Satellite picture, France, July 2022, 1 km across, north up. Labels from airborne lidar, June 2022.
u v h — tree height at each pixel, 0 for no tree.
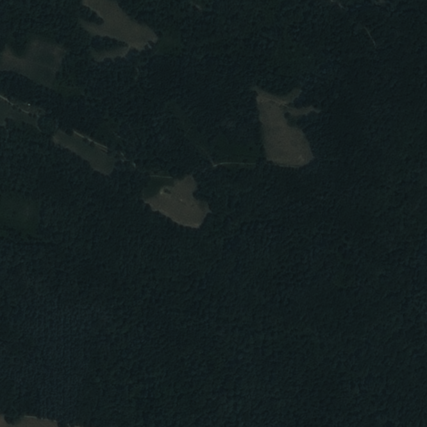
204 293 28
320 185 12
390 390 25
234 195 25
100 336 19
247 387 12
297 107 14
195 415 13
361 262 21
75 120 21
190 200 0
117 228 22
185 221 0
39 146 23
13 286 19
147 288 15
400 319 28
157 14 17
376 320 23
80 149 0
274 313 29
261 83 13
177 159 16
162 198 0
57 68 0
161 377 22
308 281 18
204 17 18
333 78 14
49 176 17
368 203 20
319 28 22
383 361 21
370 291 21
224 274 24
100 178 19
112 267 27
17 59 0
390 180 18
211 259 32
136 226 19
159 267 26
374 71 16
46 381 22
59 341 17
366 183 14
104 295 15
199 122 18
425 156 16
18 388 23
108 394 20
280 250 21
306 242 13
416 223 20
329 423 23
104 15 0
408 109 25
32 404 14
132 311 21
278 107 0
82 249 22
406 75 27
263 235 24
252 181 13
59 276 21
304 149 0
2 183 22
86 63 20
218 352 22
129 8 26
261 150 10
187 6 30
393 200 22
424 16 21
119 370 29
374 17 19
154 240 17
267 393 16
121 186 25
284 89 15
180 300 11
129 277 25
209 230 15
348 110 15
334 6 20
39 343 25
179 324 13
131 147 20
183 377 17
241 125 16
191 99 17
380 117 16
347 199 11
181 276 23
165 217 11
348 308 21
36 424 0
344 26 18
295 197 7
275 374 24
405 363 25
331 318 18
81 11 16
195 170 13
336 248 17
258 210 22
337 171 17
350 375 8
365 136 11
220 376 15
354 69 17
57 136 0
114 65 26
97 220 21
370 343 25
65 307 19
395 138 24
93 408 25
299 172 12
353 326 28
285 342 13
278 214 26
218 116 15
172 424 29
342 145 17
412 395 16
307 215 14
